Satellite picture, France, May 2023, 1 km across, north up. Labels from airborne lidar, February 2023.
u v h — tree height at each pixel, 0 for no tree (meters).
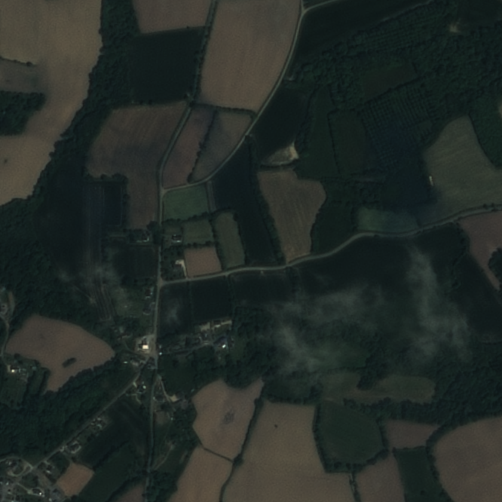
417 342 0
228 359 7
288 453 0
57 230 0
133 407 0
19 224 10
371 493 0
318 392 17
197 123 0
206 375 11
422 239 0
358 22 0
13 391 8
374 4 0
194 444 12
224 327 0
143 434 0
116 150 0
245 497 0
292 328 0
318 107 0
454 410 8
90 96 17
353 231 7
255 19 0
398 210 15
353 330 19
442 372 21
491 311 0
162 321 0
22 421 24
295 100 0
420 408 17
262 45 0
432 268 0
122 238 0
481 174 0
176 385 0
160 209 0
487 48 18
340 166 7
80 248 0
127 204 8
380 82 0
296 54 0
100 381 20
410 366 20
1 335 14
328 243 0
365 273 0
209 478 0
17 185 0
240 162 0
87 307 6
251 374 9
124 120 0
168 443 10
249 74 0
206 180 0
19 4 0
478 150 0
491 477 0
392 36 15
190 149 0
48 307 14
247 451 0
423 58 15
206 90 0
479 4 0
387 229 0
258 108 0
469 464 0
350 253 0
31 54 0
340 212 0
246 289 0
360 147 0
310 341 8
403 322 0
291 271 13
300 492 0
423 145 8
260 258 0
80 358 0
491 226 0
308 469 0
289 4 0
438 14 27
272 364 11
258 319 11
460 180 0
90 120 22
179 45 0
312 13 0
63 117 0
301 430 0
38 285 8
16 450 19
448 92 11
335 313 0
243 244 7
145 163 0
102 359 0
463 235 11
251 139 12
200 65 6
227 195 0
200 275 0
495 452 0
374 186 15
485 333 0
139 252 0
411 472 0
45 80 0
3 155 0
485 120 21
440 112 13
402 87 13
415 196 0
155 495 16
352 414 0
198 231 0
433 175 0
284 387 0
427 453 11
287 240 0
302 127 9
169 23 0
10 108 12
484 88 21
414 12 11
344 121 0
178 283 0
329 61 8
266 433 0
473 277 0
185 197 0
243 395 0
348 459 0
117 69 18
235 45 0
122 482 0
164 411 16
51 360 0
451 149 0
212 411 0
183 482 0
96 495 0
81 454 0
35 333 0
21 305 8
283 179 0
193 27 0
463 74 14
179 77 0
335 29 0
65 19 0
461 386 13
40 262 19
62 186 0
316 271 0
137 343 0
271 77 0
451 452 0
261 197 10
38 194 6
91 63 0
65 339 0
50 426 22
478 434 0
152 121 0
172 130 0
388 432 0
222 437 0
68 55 0
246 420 0
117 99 15
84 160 14
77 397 24
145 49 0
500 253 16
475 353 16
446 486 0
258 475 0
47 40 0
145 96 0
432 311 0
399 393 0
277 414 0
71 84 0
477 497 0
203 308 0
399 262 0
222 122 0
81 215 0
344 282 0
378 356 10
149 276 0
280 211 0
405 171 0
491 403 9
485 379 8
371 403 0
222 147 0
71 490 0
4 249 12
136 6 0
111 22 7
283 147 0
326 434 0
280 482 0
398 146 9
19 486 0
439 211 0
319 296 0
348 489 0
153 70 0
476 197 0
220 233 0
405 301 0
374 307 0
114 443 0
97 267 0
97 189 0
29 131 0
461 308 0
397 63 19
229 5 0
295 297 16
